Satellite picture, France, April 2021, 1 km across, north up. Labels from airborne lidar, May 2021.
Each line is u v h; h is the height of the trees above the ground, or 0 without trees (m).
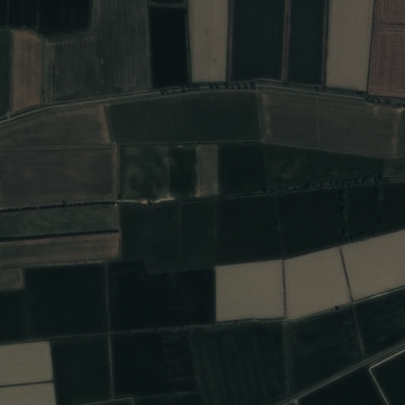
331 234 0
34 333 0
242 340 0
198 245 0
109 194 0
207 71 0
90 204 6
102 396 0
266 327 0
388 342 0
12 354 0
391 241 0
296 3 0
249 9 0
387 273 0
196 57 0
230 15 0
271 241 0
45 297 0
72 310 0
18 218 0
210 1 0
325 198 0
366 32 0
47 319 0
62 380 0
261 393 0
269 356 0
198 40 0
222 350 0
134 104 0
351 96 0
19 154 0
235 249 0
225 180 0
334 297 0
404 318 0
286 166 0
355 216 0
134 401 0
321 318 0
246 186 0
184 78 0
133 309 0
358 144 0
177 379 0
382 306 0
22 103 0
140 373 0
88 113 0
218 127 0
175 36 0
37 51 0
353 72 0
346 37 0
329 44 0
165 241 0
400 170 0
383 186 0
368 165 0
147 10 0
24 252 0
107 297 0
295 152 0
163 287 0
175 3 0
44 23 0
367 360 0
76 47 0
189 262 0
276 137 0
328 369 0
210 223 0
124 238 0
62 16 0
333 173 0
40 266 0
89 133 0
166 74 0
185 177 0
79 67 0
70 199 0
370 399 0
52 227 0
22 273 0
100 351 0
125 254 0
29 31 0
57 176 0
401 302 0
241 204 0
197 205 0
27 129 0
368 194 0
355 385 0
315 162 0
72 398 0
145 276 0
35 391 0
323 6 0
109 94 0
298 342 0
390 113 0
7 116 0
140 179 0
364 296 0
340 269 0
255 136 0
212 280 0
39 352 0
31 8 0
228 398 0
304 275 0
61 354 0
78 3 0
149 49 0
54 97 0
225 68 0
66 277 0
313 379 0
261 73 0
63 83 0
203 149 0
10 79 0
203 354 0
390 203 0
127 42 0
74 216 0
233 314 0
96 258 0
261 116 0
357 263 0
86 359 0
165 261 0
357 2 0
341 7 0
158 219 0
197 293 0
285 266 0
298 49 0
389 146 0
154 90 0
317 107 0
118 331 0
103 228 0
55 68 0
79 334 0
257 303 0
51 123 0
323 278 0
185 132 0
